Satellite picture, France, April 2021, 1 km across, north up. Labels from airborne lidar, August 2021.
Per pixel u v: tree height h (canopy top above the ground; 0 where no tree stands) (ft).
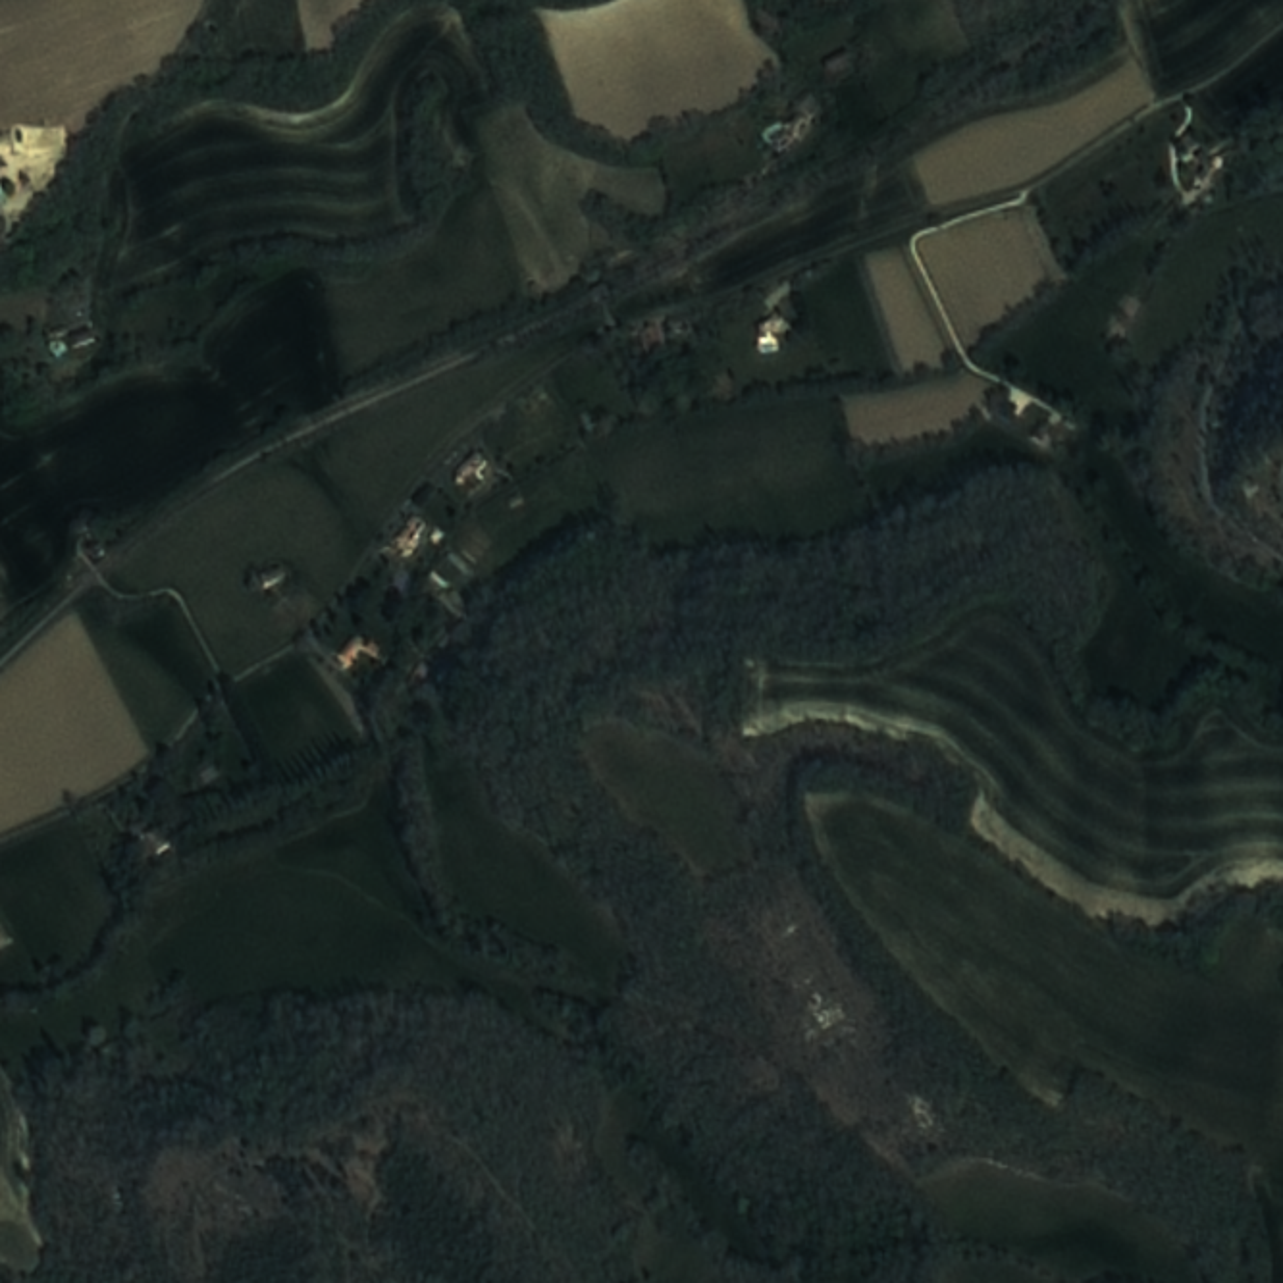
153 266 0
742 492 0
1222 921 40
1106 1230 0
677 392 71
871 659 40
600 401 0
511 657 75
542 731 53
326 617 0
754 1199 74
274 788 53
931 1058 27
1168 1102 0
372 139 0
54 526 0
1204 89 0
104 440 0
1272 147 35
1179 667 0
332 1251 45
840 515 0
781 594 47
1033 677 0
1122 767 0
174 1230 33
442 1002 57
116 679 0
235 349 0
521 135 0
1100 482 51
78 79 0
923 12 0
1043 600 80
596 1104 77
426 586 39
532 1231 37
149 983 0
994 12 71
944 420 0
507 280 0
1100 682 0
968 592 77
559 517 0
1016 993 0
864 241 0
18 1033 0
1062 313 0
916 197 0
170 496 24
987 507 64
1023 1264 29
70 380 29
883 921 0
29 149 0
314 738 0
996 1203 0
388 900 0
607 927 0
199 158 0
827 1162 61
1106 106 0
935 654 0
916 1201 78
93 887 0
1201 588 0
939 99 62
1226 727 0
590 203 29
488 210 0
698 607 61
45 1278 31
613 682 51
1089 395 0
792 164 35
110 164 61
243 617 0
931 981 0
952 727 0
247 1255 19
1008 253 0
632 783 0
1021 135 0
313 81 29
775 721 0
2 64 0
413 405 0
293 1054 61
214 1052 22
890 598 56
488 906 0
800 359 0
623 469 0
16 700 0
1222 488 47
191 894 0
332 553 0
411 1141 43
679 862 43
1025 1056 0
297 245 57
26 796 0
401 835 21
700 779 0
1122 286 0
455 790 0
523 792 65
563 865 66
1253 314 46
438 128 33
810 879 45
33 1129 24
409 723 62
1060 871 0
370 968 0
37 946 0
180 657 0
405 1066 33
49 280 75
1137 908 0
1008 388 35
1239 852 0
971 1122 51
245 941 0
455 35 0
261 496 0
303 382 0
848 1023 0
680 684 47
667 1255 0
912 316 0
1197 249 0
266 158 0
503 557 0
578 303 0
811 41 0
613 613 47
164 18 0
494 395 0
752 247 0
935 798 48
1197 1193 54
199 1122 58
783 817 23
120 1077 21
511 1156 63
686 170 0
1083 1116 36
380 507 0
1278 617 0
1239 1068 0
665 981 44
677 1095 72
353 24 41
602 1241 44
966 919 0
